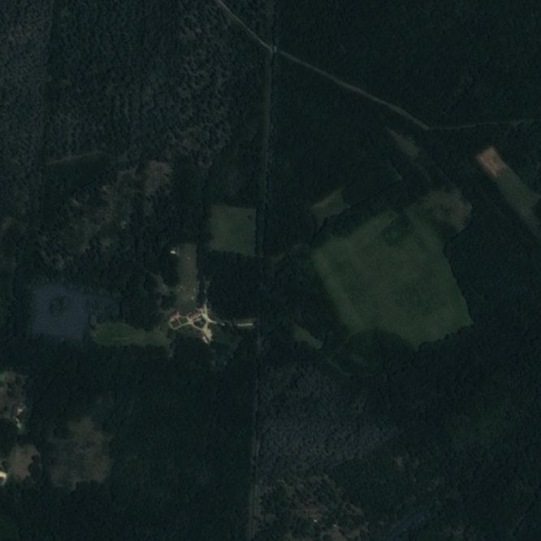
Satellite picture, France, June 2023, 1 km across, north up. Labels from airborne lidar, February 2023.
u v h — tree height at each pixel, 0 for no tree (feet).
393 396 66
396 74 62
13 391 25
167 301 38
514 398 36
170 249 40
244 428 55
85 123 41
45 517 52
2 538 0
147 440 47
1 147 78
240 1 101
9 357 60
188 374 71
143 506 62
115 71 68
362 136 78
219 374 51
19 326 73
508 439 53
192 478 33
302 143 39
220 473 60
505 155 61
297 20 65
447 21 56
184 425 57
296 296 72
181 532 59
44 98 58
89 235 0
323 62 67
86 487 62
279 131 38
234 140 43
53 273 27
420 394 79
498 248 69
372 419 60
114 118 68
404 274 0
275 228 70
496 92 44
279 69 61
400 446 64
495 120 71
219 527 79
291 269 75
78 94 60
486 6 54
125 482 21
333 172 71
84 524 71
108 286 37
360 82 72
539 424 53
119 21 99
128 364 68
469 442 29
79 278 63
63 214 44
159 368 60
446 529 57
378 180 56
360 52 56
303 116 55
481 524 79
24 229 0
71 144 63
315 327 65
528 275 59
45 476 43
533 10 61
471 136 55
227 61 72
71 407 70
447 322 0
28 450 0
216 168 45
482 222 69
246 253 0
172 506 65
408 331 0
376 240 0
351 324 0
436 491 49
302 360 47
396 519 48
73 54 76
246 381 53
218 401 55
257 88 50
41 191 65
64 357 71
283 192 54
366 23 54
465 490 67
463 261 76
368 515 69
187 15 94
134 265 76
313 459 59
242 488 61
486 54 64
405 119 72
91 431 0
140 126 40
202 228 61
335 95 60
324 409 52
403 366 21
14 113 79
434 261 0
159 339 0
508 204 23
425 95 71
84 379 76
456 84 76
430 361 80
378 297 0
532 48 80
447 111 76
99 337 0
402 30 61
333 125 68
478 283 70
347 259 0
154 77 89
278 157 70
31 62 84
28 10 68
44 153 48
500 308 75
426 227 0
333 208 0
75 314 0
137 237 52
